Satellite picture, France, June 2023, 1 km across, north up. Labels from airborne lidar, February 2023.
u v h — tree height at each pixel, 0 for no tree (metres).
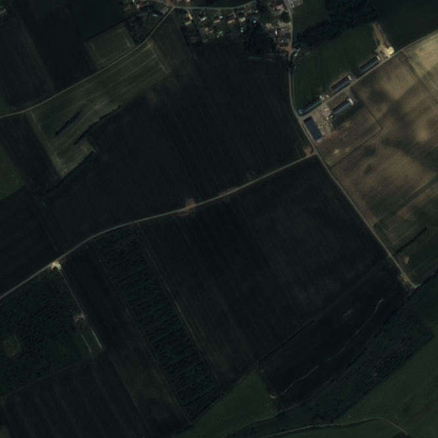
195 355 6
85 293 0
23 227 0
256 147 0
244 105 0
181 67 0
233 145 0
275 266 0
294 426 0
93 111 0
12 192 0
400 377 0
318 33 16
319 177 0
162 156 0
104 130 0
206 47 0
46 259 0
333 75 0
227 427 0
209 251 0
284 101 0
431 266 0
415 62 0
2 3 0
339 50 0
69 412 0
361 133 0
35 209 0
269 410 0
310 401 0
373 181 0
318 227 0
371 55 0
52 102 0
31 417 0
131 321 0
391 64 0
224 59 0
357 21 17
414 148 0
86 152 0
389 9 0
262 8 6
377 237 0
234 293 0
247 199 0
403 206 0
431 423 0
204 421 0
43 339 8
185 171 0
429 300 0
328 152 0
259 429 0
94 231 0
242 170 0
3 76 0
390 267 0
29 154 0
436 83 0
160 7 0
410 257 0
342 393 0
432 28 0
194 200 0
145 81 0
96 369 0
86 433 0
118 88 0
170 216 0
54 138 0
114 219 0
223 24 0
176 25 0
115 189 0
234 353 0
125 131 0
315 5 0
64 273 0
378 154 0
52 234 0
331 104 0
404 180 0
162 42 0
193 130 0
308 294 0
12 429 0
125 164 0
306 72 0
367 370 0
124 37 0
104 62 0
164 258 0
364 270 0
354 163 0
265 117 0
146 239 0
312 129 0
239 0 0
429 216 0
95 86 0
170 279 0
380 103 0
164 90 0
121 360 0
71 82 0
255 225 0
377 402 0
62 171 0
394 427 0
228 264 0
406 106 0
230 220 0
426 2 0
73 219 0
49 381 0
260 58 0
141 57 0
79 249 0
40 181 0
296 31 0
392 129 0
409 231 0
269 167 0
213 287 0
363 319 0
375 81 0
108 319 0
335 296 0
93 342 0
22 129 0
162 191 0
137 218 0
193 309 0
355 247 0
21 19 0
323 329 0
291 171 0
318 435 0
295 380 0
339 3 17
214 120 0
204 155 0
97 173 0
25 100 0
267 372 0
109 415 0
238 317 0
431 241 0
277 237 0
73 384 0
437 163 0
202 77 0
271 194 0
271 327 0
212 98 0
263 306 0
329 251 0
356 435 0
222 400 0
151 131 0
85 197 0
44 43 0
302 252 0
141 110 0
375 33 0
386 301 0
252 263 0
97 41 0
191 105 0
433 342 0
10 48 0
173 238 0
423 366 0
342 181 0
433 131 0
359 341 0
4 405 0
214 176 0
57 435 0
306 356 0
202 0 0
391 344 0
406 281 0
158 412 0
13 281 0
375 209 0
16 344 0
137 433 0
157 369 0
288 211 0
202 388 6
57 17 0
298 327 0
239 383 0
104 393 0
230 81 0
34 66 0
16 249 0
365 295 0
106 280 0
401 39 0
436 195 0
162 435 0
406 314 0
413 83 0
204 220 0
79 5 0
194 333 0
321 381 0
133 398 0
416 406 0
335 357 0
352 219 0
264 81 0
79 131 0
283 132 0
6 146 0
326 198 0
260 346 0
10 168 0
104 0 0
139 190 0
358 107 0
